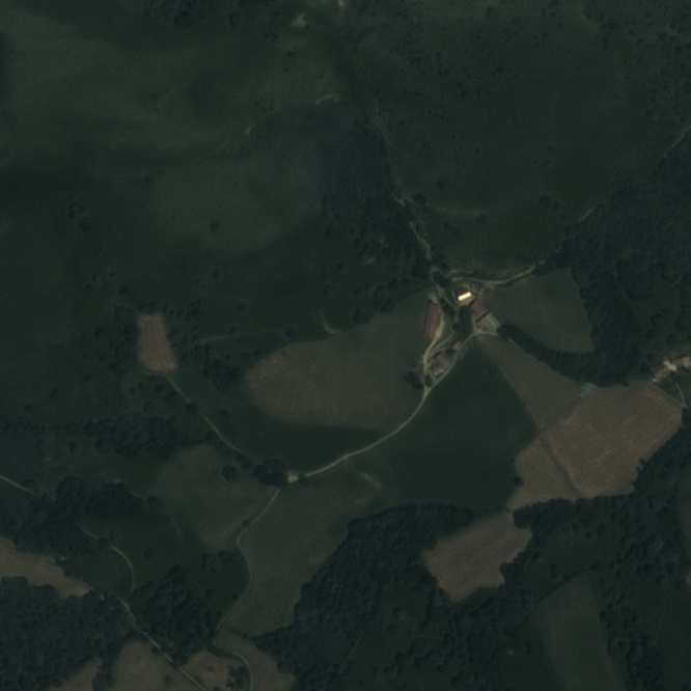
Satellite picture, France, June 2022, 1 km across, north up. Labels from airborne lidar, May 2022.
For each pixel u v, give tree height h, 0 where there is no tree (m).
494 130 0
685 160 12
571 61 0
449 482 0
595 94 0
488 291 0
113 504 24
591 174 0
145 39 0
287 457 0
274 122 0
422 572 11
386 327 0
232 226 0
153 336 0
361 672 0
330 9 0
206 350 8
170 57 0
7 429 10
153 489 0
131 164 0
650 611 0
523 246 0
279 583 0
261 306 0
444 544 0
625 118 0
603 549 0
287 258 0
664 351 0
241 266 0
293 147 0
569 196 0
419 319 0
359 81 0
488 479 0
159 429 8
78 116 0
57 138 0
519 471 0
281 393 0
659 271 15
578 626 0
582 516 17
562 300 0
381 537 17
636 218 14
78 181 0
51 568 0
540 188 0
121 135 0
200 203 0
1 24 0
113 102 0
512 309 0
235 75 0
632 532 12
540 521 19
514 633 19
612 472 0
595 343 7
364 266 0
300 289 0
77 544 7
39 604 17
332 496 0
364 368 0
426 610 7
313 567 0
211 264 0
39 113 0
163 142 0
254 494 0
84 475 0
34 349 0
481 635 13
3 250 0
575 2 0
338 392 0
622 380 21
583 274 21
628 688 6
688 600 0
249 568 0
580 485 0
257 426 0
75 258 0
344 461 0
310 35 0
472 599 0
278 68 0
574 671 0
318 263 0
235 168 0
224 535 0
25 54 0
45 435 17
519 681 0
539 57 0
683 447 12
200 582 0
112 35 0
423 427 0
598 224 14
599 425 0
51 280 0
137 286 0
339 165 0
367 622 18
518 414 0
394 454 0
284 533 0
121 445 11
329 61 0
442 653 11
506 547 0
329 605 20
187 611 18
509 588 12
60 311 0
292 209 0
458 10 0
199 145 0
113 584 0
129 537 0
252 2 14
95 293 0
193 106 0
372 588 7
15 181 0
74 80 0
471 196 0
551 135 0
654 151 0
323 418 0
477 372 0
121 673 0
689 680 0
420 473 0
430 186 0
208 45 0
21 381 0
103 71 0
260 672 0
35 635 26
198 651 9
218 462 0
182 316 15
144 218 0
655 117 12
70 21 0
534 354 11
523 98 0
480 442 0
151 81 0
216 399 0
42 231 0
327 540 0
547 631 0
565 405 0
